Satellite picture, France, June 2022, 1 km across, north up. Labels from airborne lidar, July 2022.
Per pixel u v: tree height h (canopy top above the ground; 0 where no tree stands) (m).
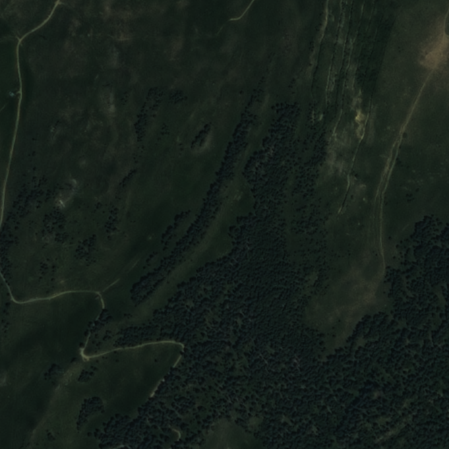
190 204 0
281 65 0
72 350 0
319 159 13
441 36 0
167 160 0
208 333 21
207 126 14
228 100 0
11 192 0
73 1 0
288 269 17
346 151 0
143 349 0
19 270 0
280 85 0
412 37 0
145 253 0
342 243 0
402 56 0
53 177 0
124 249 0
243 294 26
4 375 0
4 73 0
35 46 0
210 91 0
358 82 7
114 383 0
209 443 0
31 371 0
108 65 0
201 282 27
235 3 0
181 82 0
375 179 0
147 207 0
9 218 9
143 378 0
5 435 0
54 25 0
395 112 0
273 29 0
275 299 16
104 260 0
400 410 9
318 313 0
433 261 23
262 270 17
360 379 17
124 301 0
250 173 27
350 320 0
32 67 0
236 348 24
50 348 0
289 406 18
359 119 0
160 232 0
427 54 0
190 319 16
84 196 0
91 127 0
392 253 0
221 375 24
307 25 0
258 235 16
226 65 0
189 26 0
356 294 0
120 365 0
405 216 0
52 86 0
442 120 0
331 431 23
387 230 0
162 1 0
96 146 0
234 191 0
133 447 23
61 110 0
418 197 0
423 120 0
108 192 0
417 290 19
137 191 0
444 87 0
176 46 0
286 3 0
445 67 0
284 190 6
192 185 0
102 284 0
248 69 0
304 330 9
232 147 17
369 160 0
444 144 0
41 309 0
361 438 23
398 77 0
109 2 0
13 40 0
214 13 0
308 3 0
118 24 0
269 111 0
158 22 0
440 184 0
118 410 0
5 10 0
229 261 21
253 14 0
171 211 0
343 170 0
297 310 17
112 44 0
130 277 0
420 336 22
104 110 0
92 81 0
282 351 20
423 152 0
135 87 0
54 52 0
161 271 11
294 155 12
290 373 16
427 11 0
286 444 27
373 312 0
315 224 10
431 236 14
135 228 0
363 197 0
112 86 0
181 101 8
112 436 23
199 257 0
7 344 0
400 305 19
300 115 16
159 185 0
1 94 0
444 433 35
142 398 0
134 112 0
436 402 19
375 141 0
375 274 0
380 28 6
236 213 0
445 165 0
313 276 0
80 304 0
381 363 27
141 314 0
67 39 0
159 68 0
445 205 0
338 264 0
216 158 0
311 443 9
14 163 0
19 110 0
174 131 0
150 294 14
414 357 8
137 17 0
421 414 26
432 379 24
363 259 0
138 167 0
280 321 19
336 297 0
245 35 0
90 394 0
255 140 0
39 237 0
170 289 0
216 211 6
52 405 0
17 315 0
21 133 0
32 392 0
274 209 15
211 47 0
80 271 0
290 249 0
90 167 0
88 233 0
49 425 0
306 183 13
